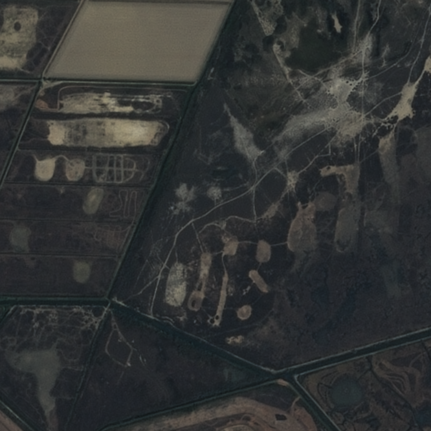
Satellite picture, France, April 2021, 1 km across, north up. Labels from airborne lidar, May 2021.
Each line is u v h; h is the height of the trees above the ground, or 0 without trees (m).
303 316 0
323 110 0
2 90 0
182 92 0
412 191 0
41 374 0
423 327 0
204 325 0
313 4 0
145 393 0
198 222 0
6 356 0
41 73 0
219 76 0
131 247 0
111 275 0
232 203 0
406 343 0
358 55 0
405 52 0
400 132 0
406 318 0
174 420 0
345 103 0
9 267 0
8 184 0
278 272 0
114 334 0
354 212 0
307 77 0
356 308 0
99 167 0
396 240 0
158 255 0
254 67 0
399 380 0
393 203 0
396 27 0
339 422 0
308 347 0
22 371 0
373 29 0
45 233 0
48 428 0
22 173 0
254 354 0
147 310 0
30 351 0
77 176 0
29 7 0
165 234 0
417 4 0
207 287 0
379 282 0
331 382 0
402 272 0
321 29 0
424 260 0
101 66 0
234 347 0
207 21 0
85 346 0
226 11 0
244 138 0
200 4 0
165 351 0
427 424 0
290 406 0
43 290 0
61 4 0
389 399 0
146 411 0
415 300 0
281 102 0
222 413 0
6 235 0
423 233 0
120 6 0
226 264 0
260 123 0
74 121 0
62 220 0
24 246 0
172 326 0
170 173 0
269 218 0
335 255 0
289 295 0
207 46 0
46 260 0
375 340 0
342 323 0
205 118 0
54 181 0
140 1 0
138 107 0
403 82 0
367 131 0
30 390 0
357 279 0
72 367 0
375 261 0
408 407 0
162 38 0
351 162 0
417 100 0
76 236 0
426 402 0
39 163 0
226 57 0
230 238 0
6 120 0
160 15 0
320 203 0
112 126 0
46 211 0
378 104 0
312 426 0
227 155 0
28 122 0
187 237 0
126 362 0
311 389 0
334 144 0
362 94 0
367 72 0
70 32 0
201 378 0
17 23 0
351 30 0
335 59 0
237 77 0
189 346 6
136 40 0
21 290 0
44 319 0
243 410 0
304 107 0
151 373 0
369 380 0
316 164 0
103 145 0
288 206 0
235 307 0
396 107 0
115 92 0
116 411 0
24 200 0
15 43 0
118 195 0
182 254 0
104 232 0
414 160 0
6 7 0
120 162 0
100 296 0
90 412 0
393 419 0
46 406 0
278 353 0
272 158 0
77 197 0
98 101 0
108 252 0
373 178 0
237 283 0
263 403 0
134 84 0
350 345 0
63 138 0
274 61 0
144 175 0
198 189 0
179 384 0
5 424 0
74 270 0
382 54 0
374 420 0
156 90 0
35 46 0
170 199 0
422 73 0
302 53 0
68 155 0
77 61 0
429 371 0
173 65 0
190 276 0
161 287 0
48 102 0
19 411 0
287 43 0
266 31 0
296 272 0
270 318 0
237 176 0
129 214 0
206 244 0
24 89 0
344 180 0
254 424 0
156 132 0
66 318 0
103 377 0
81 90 0
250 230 0
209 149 0
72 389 0
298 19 0
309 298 0
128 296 0
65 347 0
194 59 0
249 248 0
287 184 0
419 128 0
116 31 0
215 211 0
